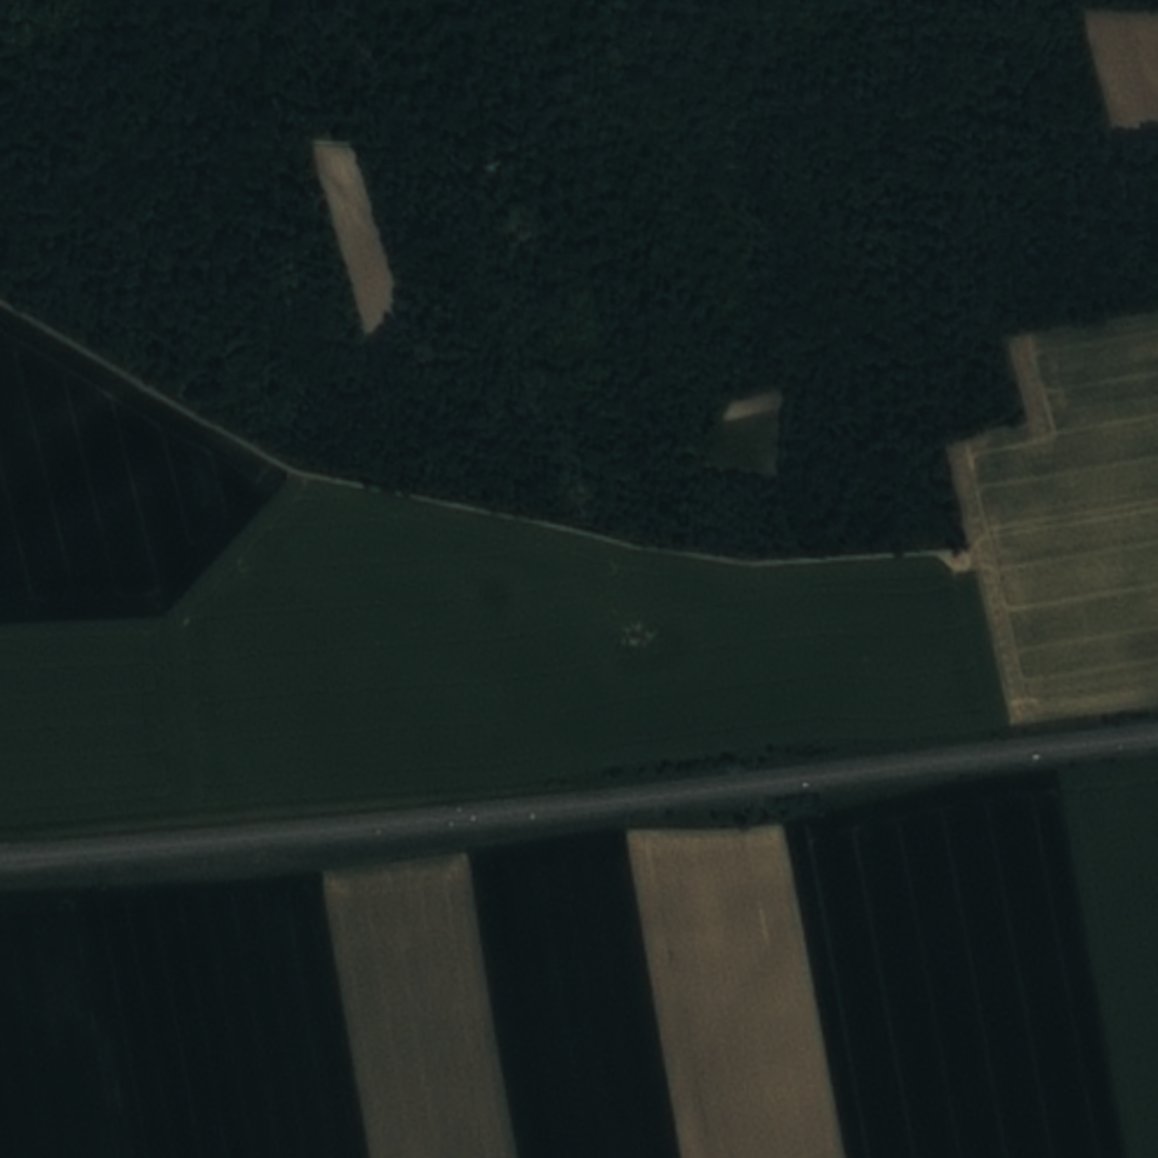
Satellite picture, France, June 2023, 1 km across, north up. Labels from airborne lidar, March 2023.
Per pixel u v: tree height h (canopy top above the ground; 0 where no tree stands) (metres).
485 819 0
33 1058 0
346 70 23
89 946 0
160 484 0
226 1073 0
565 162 13
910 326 25
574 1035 0
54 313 18
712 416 11
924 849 0
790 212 18
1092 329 0
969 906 0
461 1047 0
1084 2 8
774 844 0
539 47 17
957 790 0
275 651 0
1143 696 0
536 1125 0
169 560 0
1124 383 0
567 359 6
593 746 0
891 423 24
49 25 9
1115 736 0
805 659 0
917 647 0
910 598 0
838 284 19
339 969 0
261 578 0
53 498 0
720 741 0
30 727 0
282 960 0
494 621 0
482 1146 0
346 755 0
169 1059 0
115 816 0
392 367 17
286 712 0
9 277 17
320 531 0
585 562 0
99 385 0
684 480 17
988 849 0
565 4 7
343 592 0
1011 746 0
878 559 0
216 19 16
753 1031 0
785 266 18
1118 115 0
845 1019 0
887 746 0
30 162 20
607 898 0
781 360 13
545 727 0
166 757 0
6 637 0
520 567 0
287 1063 0
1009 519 0
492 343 17
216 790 0
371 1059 0
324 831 0
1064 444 0
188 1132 0
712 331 6
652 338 20
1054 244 26
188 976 0
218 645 0
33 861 0
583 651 0
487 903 0
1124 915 0
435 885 0
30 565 0
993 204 20
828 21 8
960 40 18
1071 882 0
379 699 0
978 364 16
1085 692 0
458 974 0
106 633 0
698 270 7
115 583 0
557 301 15
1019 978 0
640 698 0
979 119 24
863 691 0
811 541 16
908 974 0
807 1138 0
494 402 21
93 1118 0
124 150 25
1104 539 0
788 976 0
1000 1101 0
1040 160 18
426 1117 0
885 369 20
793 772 0
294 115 18
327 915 0
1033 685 0
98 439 0
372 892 0
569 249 16
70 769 0
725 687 0
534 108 20
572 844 0
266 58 26
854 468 21
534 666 0
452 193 22
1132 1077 0
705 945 0
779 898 0
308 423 17
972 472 0
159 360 16
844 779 0
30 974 0
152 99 20
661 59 16
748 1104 0
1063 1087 0
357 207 0
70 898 0
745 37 19
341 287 10
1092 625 0
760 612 0
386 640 0
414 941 0
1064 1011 0
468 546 0
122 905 0
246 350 23
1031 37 22
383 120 18
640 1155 0
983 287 23
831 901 0
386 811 0
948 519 17
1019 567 0
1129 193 24
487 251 15
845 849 0
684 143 12
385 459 17
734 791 0
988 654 0
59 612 0
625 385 20
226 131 24
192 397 17
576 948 0
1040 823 0
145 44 20
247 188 24
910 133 22
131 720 0
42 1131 0
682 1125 0
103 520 0
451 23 8
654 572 0
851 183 19
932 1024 0
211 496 0
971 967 0
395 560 0
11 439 0
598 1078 0
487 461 20
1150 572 0
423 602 0
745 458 0
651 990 0
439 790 0
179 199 24
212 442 0
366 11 21
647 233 10
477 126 17
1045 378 0
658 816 0
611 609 0
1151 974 0
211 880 0
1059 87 21
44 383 0
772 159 19
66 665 0
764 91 14
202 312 19
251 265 18
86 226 20
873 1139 0
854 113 19
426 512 0
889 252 18
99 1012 0
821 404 20
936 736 0
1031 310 20
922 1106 0
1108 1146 0
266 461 0
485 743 0
